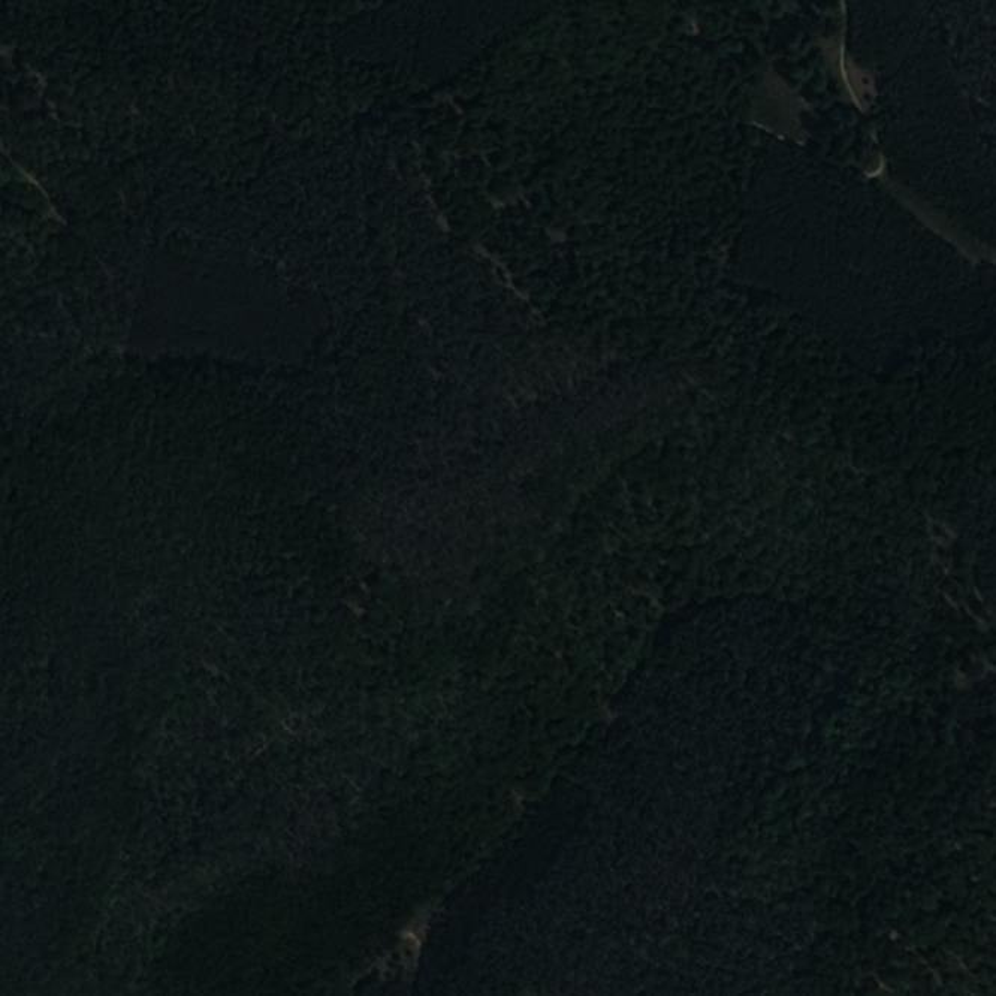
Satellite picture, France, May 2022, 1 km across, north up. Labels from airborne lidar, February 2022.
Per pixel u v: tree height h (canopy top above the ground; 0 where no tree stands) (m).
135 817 26
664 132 34
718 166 33
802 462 23
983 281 18
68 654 27
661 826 21
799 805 23
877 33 14
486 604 25
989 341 29
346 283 26
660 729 23
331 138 27
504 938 24
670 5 25
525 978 24
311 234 28
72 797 27
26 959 25
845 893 21
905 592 20
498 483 22
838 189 19
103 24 31
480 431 17
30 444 35
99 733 28
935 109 15
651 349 23
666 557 35
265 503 24
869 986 33
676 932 21
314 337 14
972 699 10
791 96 0
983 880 37
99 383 29
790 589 30
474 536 20
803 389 20
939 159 16
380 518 21
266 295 16
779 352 21
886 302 18
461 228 23
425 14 18
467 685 25
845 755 23
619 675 29
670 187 31
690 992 17
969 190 16
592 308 27
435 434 20
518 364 18
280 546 22
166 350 16
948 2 27
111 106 28
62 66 26
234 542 22
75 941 22
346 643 22
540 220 22
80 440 32
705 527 25
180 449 29
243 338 17
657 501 29
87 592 24
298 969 25
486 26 18
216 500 27
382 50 20
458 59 20
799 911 23
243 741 27
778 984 21
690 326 22
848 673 22
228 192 19
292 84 24
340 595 21
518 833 13
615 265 28
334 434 22
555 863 22
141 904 21
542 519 24
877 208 15
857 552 21
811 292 17
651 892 24
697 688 25
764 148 15
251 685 24
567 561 27
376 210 25
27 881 22
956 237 0
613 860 22
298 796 22
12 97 25
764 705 26
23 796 28
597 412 24
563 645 28
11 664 26
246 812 25
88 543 25
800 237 18
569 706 32
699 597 26
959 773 29
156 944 24
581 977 19
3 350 24
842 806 24
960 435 19
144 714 27
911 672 23
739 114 30
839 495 22
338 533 22
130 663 27
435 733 23
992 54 29
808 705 26
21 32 23
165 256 15
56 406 29
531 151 25
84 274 28
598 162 29
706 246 31
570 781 9
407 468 19
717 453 22
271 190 26
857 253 15
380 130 20
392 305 21
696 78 31
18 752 25
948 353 31
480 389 24
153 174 24
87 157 24
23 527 32
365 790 24
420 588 22
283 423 27
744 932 25
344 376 25
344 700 22
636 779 26
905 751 28
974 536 24
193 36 28
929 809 35
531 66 28
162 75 26
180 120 24
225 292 18
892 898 30
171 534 23
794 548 25
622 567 31
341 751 24
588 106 31
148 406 32
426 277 23
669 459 23
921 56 14
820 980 23
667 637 28
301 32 23
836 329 16
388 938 27
